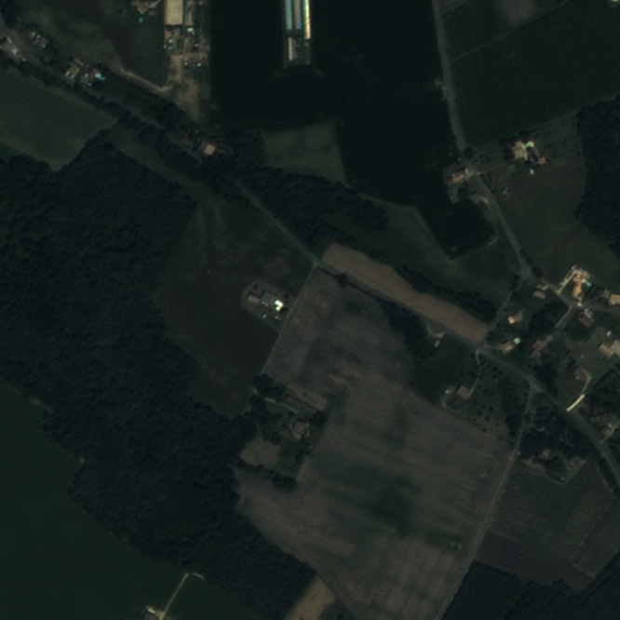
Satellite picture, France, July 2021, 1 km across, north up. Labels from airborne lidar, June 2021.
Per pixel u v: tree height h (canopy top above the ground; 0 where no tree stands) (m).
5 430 0
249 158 6
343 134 0
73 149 0
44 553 0
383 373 0
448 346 0
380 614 0
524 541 0
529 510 0
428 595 0
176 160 22
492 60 6
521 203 0
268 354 0
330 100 0
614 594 13
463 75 8
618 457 8
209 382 0
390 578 0
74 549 0
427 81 0
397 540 0
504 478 0
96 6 0
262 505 0
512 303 6
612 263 0
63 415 15
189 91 0
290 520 0
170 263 9
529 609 12
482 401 0
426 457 0
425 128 0
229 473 14
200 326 0
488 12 6
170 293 0
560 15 7
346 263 0
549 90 6
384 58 0
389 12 0
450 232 0
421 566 0
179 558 12
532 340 6
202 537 17
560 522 0
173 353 16
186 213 14
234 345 0
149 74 0
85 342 21
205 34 0
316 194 20
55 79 11
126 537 8
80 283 20
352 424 0
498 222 0
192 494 20
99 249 18
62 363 28
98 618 0
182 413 20
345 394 0
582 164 0
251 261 0
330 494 0
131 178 22
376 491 0
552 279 0
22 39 0
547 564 0
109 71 13
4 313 22
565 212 0
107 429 22
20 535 0
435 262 0
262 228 0
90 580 0
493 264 0
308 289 0
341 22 0
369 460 0
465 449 0
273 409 0
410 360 0
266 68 0
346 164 0
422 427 0
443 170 0
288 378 0
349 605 0
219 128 0
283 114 0
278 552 10
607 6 8
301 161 0
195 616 0
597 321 0
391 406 0
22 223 8
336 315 0
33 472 0
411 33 0
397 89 0
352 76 0
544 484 0
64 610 0
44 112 0
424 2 0
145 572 0
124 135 0
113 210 20
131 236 10
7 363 20
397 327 16
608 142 22
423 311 0
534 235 0
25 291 19
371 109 0
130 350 24
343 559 0
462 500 0
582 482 0
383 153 0
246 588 22
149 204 15
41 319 26
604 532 0
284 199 28
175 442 19
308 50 0
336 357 0
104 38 0
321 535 0
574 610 13
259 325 0
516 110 6
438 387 0
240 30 0
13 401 0
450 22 6
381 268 0
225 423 17
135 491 24
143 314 22
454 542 0
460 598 14
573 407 0
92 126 0
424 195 0
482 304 13
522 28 7
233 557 19
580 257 0
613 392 9
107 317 23
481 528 0
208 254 0
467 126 7
